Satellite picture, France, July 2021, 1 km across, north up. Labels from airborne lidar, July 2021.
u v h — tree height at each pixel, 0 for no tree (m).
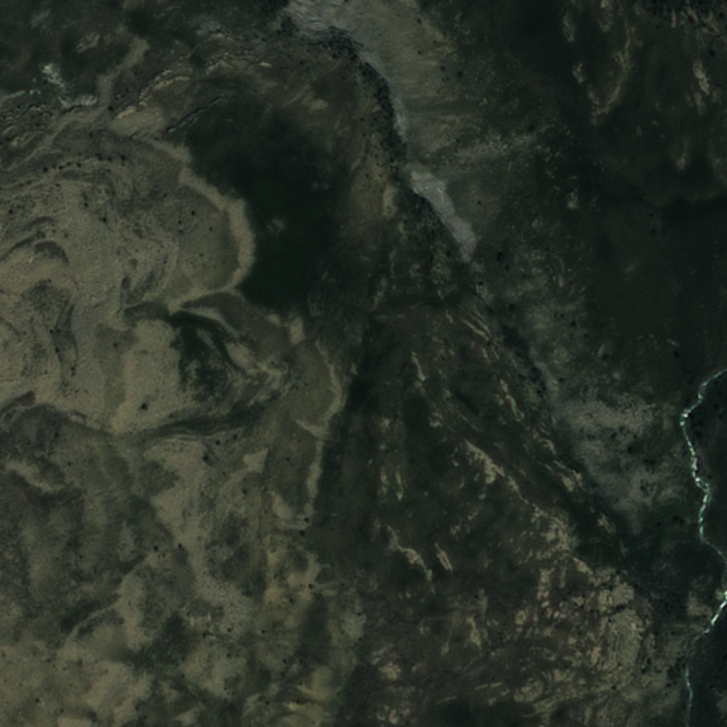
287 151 0
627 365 0
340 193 0
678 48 0
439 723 0
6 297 0
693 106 0
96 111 0
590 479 0
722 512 0
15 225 0
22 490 0
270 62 0
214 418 0
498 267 0
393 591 0
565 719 0
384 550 0
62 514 0
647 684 0
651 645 0
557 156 0
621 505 0
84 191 0
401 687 0
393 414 0
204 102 0
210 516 0
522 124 0
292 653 0
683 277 0
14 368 0
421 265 0
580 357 0
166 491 0
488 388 0
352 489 0
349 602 0
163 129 0
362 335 0
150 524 0
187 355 0
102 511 0
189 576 0
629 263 0
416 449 0
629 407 0
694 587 0
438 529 0
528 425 0
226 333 0
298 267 0
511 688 0
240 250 0
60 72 0
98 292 0
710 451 0
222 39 0
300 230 0
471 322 0
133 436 0
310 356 0
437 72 0
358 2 0
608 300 0
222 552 0
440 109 0
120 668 0
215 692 0
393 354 0
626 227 0
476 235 0
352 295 0
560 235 0
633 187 0
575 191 0
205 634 6
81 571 0
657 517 0
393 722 0
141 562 0
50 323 0
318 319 0
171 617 0
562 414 0
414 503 0
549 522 0
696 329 0
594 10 0
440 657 0
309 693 0
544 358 0
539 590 0
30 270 0
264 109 0
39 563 0
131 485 0
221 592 0
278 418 0
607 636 0
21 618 0
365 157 0
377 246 0
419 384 0
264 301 0
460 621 0
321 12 0
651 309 0
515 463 0
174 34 0
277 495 0
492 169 0
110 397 0
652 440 0
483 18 0
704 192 0
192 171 0
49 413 0
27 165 0
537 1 0
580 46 0
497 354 0
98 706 0
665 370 0
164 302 0
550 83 0
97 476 0
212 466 0
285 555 0
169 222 0
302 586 0
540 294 0
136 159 0
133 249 0
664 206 0
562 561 0
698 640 0
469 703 0
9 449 0
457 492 0
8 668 0
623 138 0
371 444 0
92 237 0
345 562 0
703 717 0
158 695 0
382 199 0
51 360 0
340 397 0
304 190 0
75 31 0
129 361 0
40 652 0
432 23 0
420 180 0
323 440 0
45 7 0
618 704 0
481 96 0
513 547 0
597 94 0
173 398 0
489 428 0
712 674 0
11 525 0
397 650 0
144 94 0
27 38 0
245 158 0
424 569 0
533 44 0
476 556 0
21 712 0
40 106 0
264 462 0
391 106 20
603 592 0
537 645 0
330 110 0
